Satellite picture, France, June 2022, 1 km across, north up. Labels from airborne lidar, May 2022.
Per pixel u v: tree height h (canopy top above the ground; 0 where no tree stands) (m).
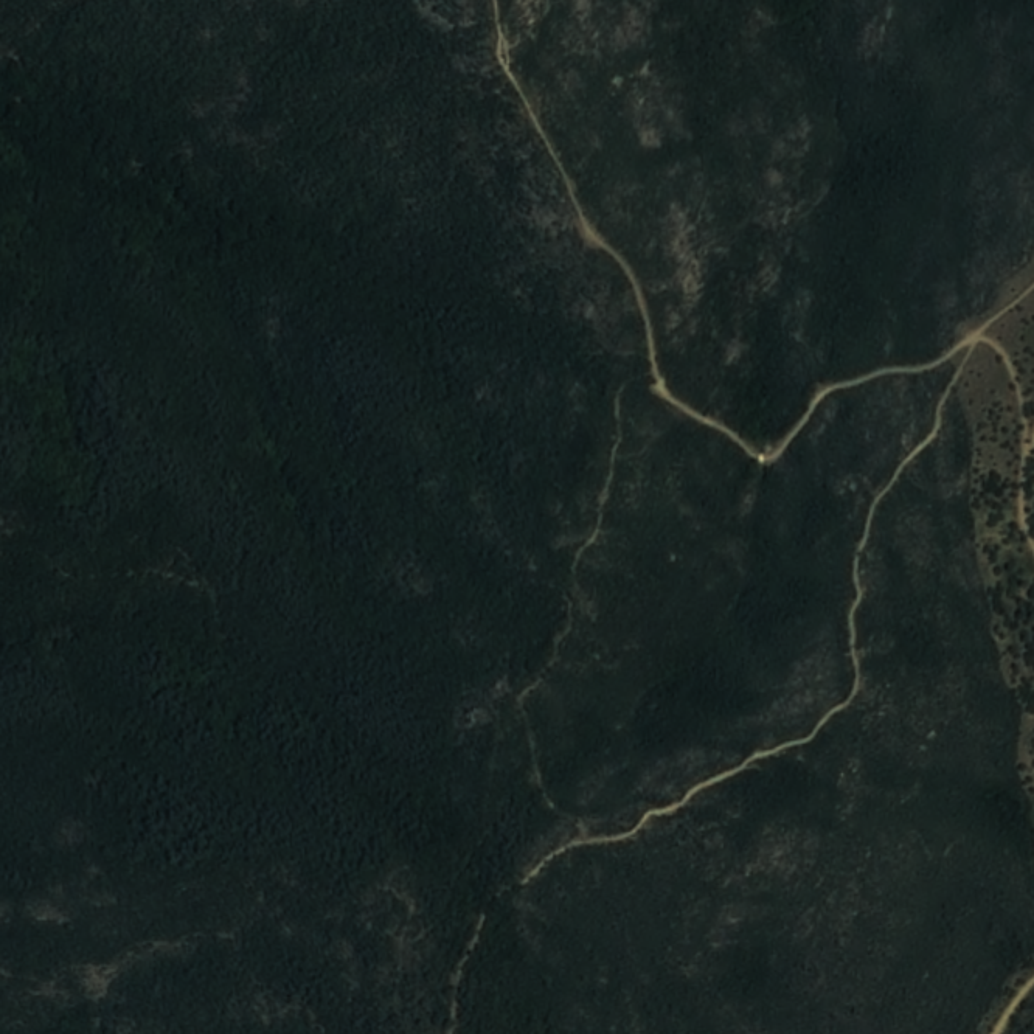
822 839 0
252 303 7
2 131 16
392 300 10
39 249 13
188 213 17
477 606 6
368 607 7
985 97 0
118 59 8
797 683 0
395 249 10
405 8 6
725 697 6
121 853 6
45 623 9
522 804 10
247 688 10
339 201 10
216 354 8
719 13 6
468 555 7
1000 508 8
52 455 13
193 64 9
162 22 7
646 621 5
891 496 0
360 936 7
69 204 9
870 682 0
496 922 7
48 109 10
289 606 14
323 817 10
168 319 5
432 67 6
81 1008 6
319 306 9
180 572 7
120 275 10
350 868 9
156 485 16
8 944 8
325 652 7
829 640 0
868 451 0
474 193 8
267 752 8
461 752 7
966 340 0
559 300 6
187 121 6
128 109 9
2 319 9
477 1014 6
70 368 14
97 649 6
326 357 11
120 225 11
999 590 9
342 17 7
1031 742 0
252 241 15
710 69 6
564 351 6
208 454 13
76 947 7
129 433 17
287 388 11
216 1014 6
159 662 14
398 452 9
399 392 16
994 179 0
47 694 19
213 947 6
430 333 10
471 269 9
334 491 6
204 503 16
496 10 0
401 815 15
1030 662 8
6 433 16
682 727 6
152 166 13
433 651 8
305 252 13
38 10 6
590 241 0
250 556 17
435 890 9
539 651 5
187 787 12
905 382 0
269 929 7
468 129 7
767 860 0
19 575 14
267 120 6
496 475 10
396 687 11
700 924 0
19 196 16
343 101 7
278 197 9
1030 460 8
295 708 17
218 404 13
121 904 6
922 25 0
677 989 8
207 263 10
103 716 8
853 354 0
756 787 6
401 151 8
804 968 9
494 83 7
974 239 0
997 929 11
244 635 10
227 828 14
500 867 11
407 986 7
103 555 9
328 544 7
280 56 8
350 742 13
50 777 5
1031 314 0
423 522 10
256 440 9
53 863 6
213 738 15
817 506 9
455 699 6
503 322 8
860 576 0
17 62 12
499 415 6
